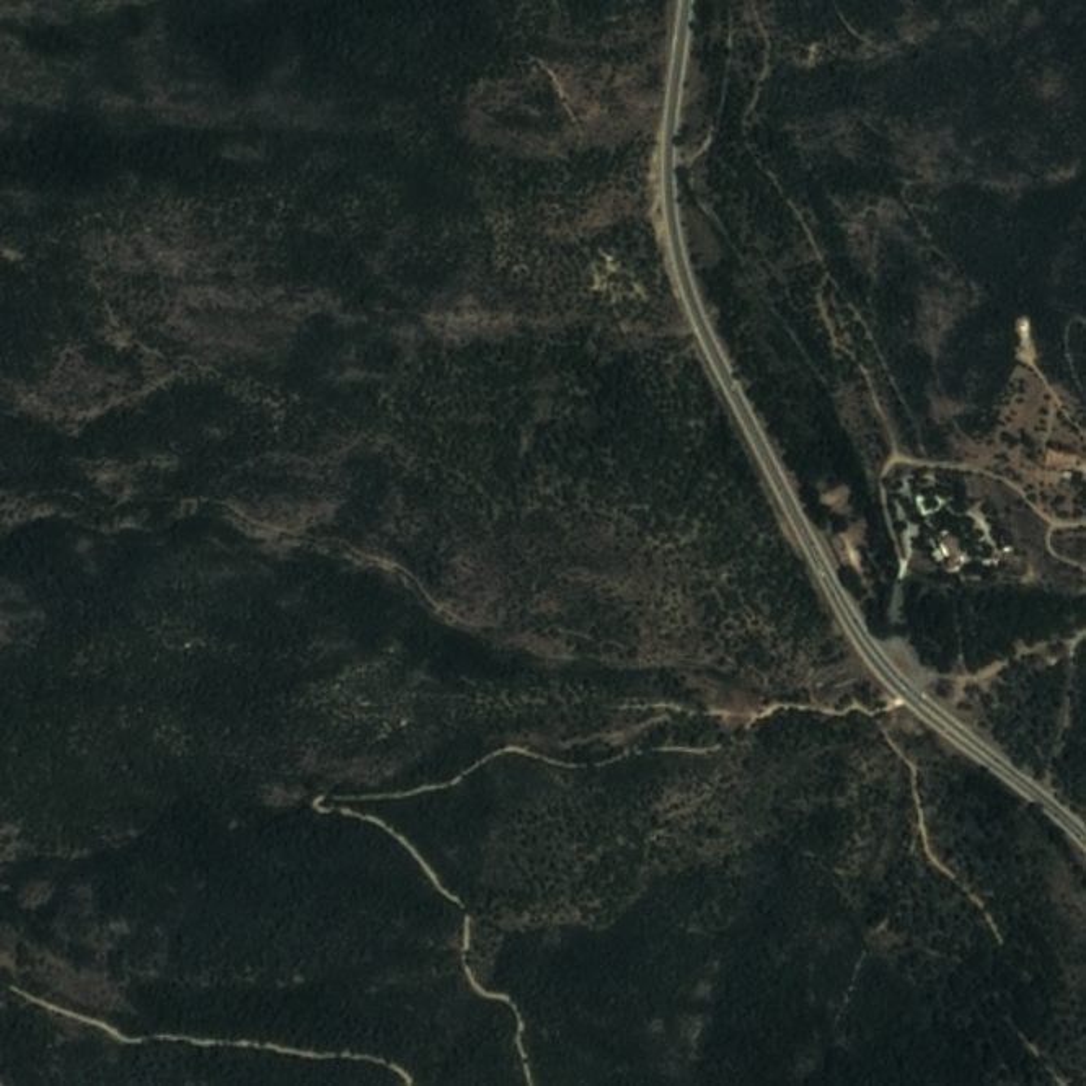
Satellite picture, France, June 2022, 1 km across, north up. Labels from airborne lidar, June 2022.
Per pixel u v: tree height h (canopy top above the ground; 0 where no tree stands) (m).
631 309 6
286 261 8
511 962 7
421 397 7
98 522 10
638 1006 10
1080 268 9
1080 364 7
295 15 9
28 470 12
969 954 10
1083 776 16
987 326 8
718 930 7
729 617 7
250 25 7
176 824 10
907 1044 7
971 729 0
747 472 10
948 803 8
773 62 8
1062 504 6
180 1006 12
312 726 9
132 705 8
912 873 9
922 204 7
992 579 9
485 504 6
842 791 7
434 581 10
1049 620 9
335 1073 11
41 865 9
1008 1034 14
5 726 9
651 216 0
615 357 6
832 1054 11
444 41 12
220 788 10
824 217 8
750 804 0
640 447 10
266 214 9
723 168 9
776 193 10
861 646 0
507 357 9
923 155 0
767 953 12
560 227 7
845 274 9
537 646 0
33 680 10
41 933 7
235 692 9
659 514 10
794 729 8
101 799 7
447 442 5
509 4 7
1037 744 13
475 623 0
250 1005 11
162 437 6
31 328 7
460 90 8
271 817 9
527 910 8
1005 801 7
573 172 7
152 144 11
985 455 0
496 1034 7
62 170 7
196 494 5
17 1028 12
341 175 9
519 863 8
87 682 9
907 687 0
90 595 8
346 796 7
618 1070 7
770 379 8
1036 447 7
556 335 7
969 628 12
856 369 8
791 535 0
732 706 0
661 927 10
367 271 8
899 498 9
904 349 6
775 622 10
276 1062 8
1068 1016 9
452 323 0
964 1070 7
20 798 9
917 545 10
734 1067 8
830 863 6
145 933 6
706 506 9
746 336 8
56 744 9
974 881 9
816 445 9
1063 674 7
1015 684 7
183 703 10
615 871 11
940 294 0
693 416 7
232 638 8
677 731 8
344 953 10
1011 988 12
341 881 6
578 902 7
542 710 6
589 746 7
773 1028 6
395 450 7
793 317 9
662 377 7
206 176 9
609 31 6
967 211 8
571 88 0
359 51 11
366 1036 12
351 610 10
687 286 0
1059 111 6
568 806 7
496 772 0
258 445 6
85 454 6
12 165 12
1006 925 7
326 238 7
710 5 10
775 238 9
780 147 9
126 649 7
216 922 7
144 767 11
